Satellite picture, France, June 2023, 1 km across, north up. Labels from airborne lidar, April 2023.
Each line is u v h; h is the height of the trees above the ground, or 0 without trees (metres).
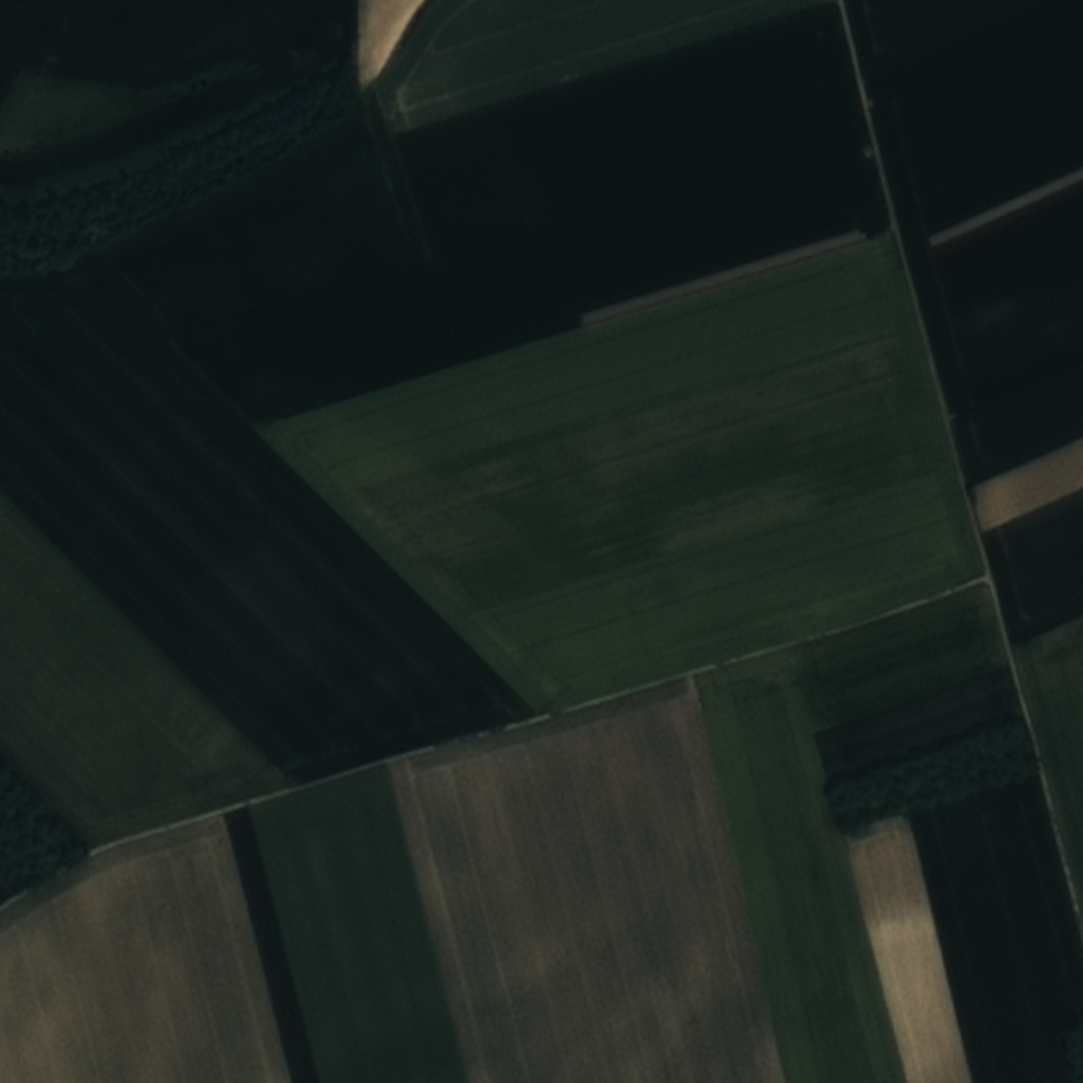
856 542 0
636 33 0
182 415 0
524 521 0
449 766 0
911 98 0
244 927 0
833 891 0
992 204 0
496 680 0
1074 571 0
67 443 0
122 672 0
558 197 0
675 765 0
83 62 0
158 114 0
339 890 0
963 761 13
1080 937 0
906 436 0
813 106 0
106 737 0
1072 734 0
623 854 0
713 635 0
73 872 0
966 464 0
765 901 0
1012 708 0
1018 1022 0
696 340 0
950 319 0
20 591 0
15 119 0
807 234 0
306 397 0
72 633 0
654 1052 0
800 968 0
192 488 0
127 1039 0
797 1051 0
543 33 0
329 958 0
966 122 0
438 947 0
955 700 0
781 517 0
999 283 0
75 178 0
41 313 0
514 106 0
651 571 0
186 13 0
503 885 0
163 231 0
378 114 0
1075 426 0
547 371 0
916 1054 0
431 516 0
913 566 0
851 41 0
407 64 0
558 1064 0
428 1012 0
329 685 0
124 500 0
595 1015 0
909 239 0
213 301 0
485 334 0
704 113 0
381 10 0
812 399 0
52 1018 0
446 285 0
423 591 0
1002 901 0
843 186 0
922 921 0
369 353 0
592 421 0
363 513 0
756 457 0
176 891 0
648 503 0
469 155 0
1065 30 0
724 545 0
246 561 0
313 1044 0
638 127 0
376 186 0
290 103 13
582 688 0
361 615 0
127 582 0
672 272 0
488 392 0
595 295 0
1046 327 0
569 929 0
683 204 0
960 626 0
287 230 0
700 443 0
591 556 0
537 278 0
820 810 0
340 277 0
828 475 0
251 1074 0
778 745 0
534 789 0
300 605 0
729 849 0
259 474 0
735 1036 0
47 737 0
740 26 0
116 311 0
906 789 15
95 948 0
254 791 0
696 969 0
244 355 0
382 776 0
